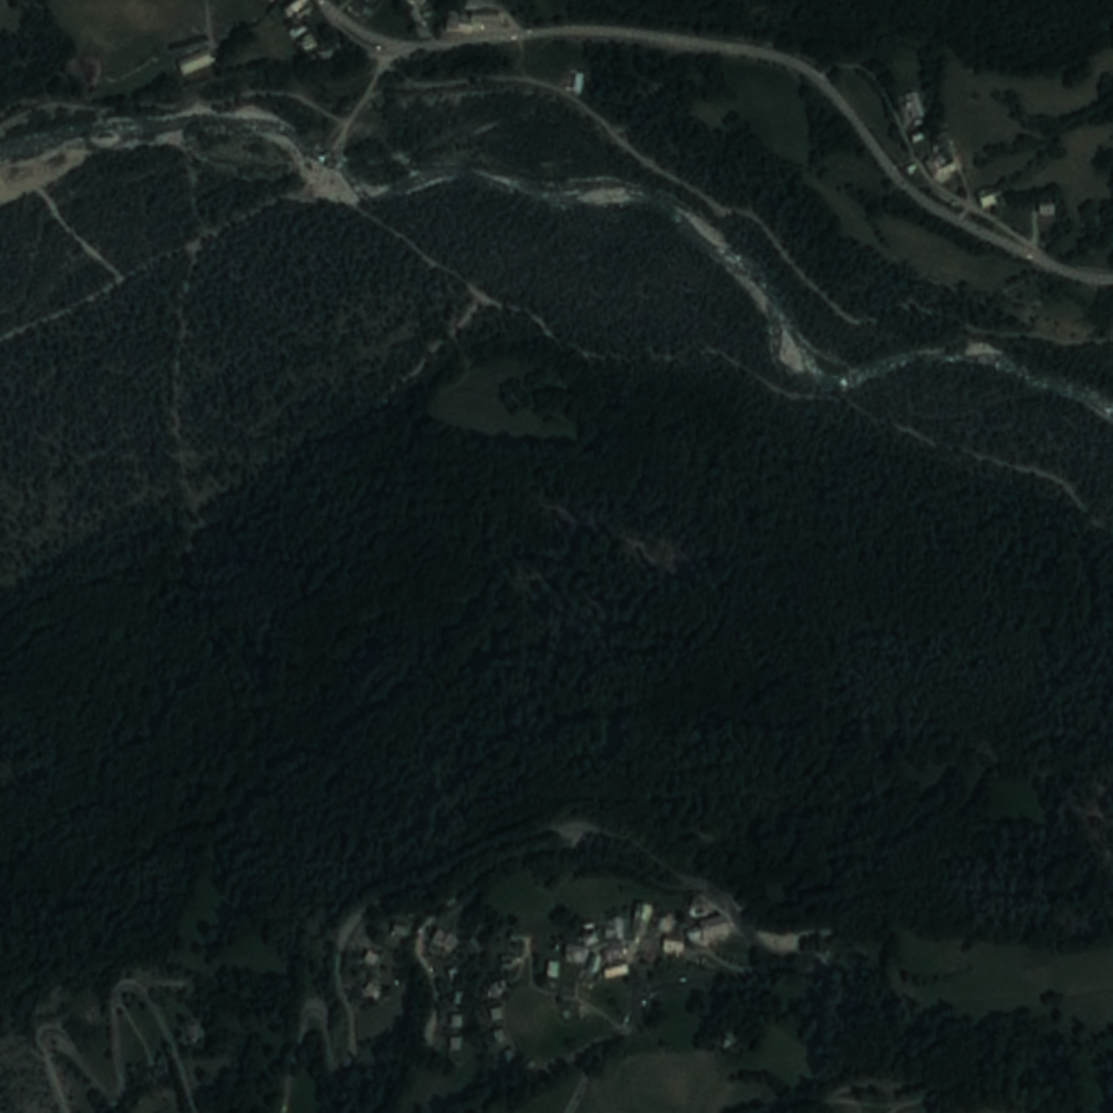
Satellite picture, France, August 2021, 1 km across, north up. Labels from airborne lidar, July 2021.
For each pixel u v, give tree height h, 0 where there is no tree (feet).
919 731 69
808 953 38
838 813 63
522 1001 0
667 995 0
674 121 53
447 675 76
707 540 82
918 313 54
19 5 37
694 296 43
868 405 32
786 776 71
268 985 48
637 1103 0
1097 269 0
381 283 27
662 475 107
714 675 81
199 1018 32
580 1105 0
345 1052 0
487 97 19
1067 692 101
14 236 25
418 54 20
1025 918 109
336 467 70
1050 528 51
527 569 88
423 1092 0
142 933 59
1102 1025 0
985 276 0
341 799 100
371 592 90
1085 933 95
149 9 0
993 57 50
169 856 53
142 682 67
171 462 40
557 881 27
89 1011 0
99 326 37
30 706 57
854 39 20
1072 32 85
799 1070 0
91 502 35
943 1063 94
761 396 48
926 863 110
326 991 31
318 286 44
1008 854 28
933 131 33
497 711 90
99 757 77
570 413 54
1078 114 32
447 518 81
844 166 0
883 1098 48
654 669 78
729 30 52
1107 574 75
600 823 45
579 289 19
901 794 80
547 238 27
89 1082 30
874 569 84
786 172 34
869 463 73
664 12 33
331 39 51
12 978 51
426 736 51
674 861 50
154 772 83
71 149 0
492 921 35
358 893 35
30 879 36
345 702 54
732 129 24
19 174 0
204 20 0
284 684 60
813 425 25
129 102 29
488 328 37
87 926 68
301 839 79
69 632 73
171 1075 24
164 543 72
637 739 113
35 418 28
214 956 40
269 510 82
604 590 70
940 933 77
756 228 33
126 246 26
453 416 0
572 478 106
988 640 77
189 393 30
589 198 0
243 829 55
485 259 28
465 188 31
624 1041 35
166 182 35
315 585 103
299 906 40
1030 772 32
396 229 29
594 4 29
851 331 26
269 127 0
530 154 22
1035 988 0
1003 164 0
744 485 90
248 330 29
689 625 113
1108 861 89
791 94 0
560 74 0
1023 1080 33
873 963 22
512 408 27
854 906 81
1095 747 81
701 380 42
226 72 29
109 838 77
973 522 72
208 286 31
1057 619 97
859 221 0
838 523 78
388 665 111
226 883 53
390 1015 0
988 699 67
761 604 92
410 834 52
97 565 83
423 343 27
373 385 26
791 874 50
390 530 87
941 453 43
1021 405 29
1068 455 37
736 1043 23
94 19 0
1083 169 0
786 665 89
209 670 89
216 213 40
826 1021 107
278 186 31
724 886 26
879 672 59
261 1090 52
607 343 29
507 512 72
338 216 40
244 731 85
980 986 0
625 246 31
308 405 32
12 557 32
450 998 21
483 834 43
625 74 52
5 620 62
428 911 32
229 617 102
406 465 101
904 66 0
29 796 94
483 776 78
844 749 68
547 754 95
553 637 49
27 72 44
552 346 59
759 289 0
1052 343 30
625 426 87
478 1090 49
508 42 0
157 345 36
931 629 81
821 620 85
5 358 37
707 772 83
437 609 54
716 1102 0
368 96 0
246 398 32
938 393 18
